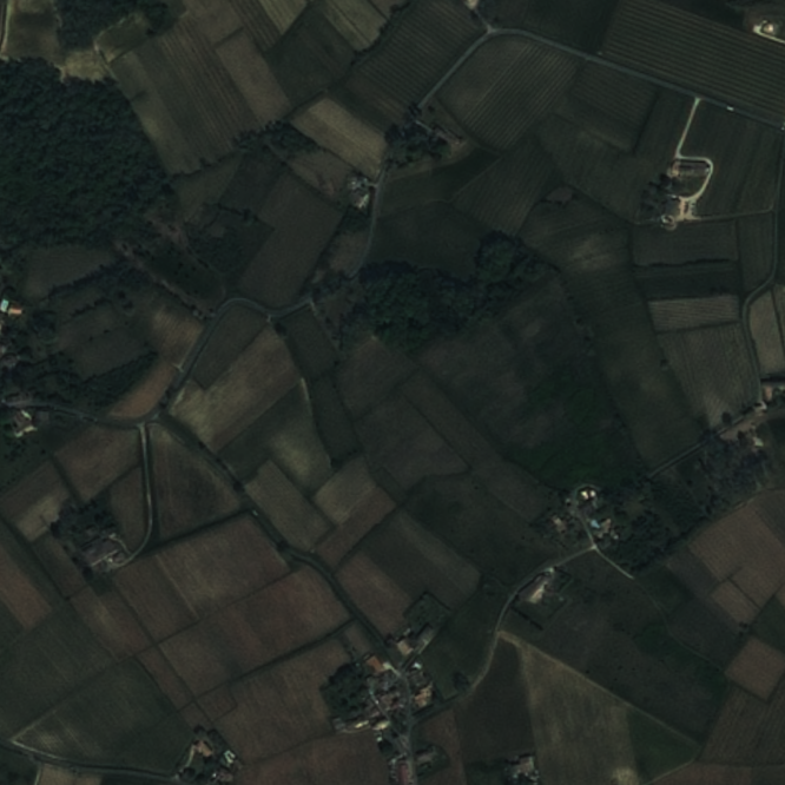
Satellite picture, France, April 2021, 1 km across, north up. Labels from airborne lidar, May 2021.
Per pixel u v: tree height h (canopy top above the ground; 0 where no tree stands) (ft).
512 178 0
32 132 77
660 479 0
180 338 0
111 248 24
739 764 0
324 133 0
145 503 0
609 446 0
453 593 0
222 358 0
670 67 0
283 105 0
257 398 0
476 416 0
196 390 0
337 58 0
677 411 0
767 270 0
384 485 0
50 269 0
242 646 0
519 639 0
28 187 47
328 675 0
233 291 0
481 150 0
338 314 0
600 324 0
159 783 0
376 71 0
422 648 0
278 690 0
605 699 0
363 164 0
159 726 0
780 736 0
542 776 0
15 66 31
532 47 0
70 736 0
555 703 0
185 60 0
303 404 0
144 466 0
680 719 0
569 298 22
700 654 0
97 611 0
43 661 0
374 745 0
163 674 0
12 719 0
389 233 0
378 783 0
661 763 0
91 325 0
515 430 0
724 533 0
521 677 0
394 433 0
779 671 0
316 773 0
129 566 0
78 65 0
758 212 0
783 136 0
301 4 0
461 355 0
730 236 0
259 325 0
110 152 73
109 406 19
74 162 59
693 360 0
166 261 0
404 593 0
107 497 0
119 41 0
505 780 0
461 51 0
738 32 0
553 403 0
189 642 0
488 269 74
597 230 0
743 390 0
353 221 25
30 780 0
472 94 0
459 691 44
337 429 0
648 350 0
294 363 0
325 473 0
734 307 0
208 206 0
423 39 0
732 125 0
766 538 0
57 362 97
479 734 0
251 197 0
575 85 0
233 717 0
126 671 0
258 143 25
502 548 0
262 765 0
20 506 0
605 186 0
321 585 0
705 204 0
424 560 0
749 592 0
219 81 0
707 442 38
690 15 0
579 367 0
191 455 0
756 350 0
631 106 0
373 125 0
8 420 49
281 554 35
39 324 20
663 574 0
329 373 0
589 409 0
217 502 0
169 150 0
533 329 0
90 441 0
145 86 0
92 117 69
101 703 0
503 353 0
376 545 0
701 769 0
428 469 0
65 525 52
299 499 0
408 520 0
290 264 0
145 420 0
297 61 0
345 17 0
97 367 0
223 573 0
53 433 23
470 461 0
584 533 19
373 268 0
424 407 0
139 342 0
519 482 0
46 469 0
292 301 0
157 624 0
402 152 65
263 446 0
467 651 0
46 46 0
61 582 0
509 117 0
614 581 0
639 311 0
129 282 51
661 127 0
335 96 0
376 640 0
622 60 0
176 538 0
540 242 0
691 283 0
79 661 0
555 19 0
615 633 0
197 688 0
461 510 0
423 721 0
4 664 0
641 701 0
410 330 52
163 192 43
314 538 0
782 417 0
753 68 0
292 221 0
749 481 54
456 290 73
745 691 0
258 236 0
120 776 0
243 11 0
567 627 0
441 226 0
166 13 43
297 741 0
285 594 0
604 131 0
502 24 46
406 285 75
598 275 0
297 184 0
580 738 0
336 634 0
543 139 0
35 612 0
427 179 0
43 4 0
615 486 0
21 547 0
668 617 0
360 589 0
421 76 0
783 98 0
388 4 0
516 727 0
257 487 0
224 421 0
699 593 0
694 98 0
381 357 0
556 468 0
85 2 64
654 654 0
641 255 0
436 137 30
